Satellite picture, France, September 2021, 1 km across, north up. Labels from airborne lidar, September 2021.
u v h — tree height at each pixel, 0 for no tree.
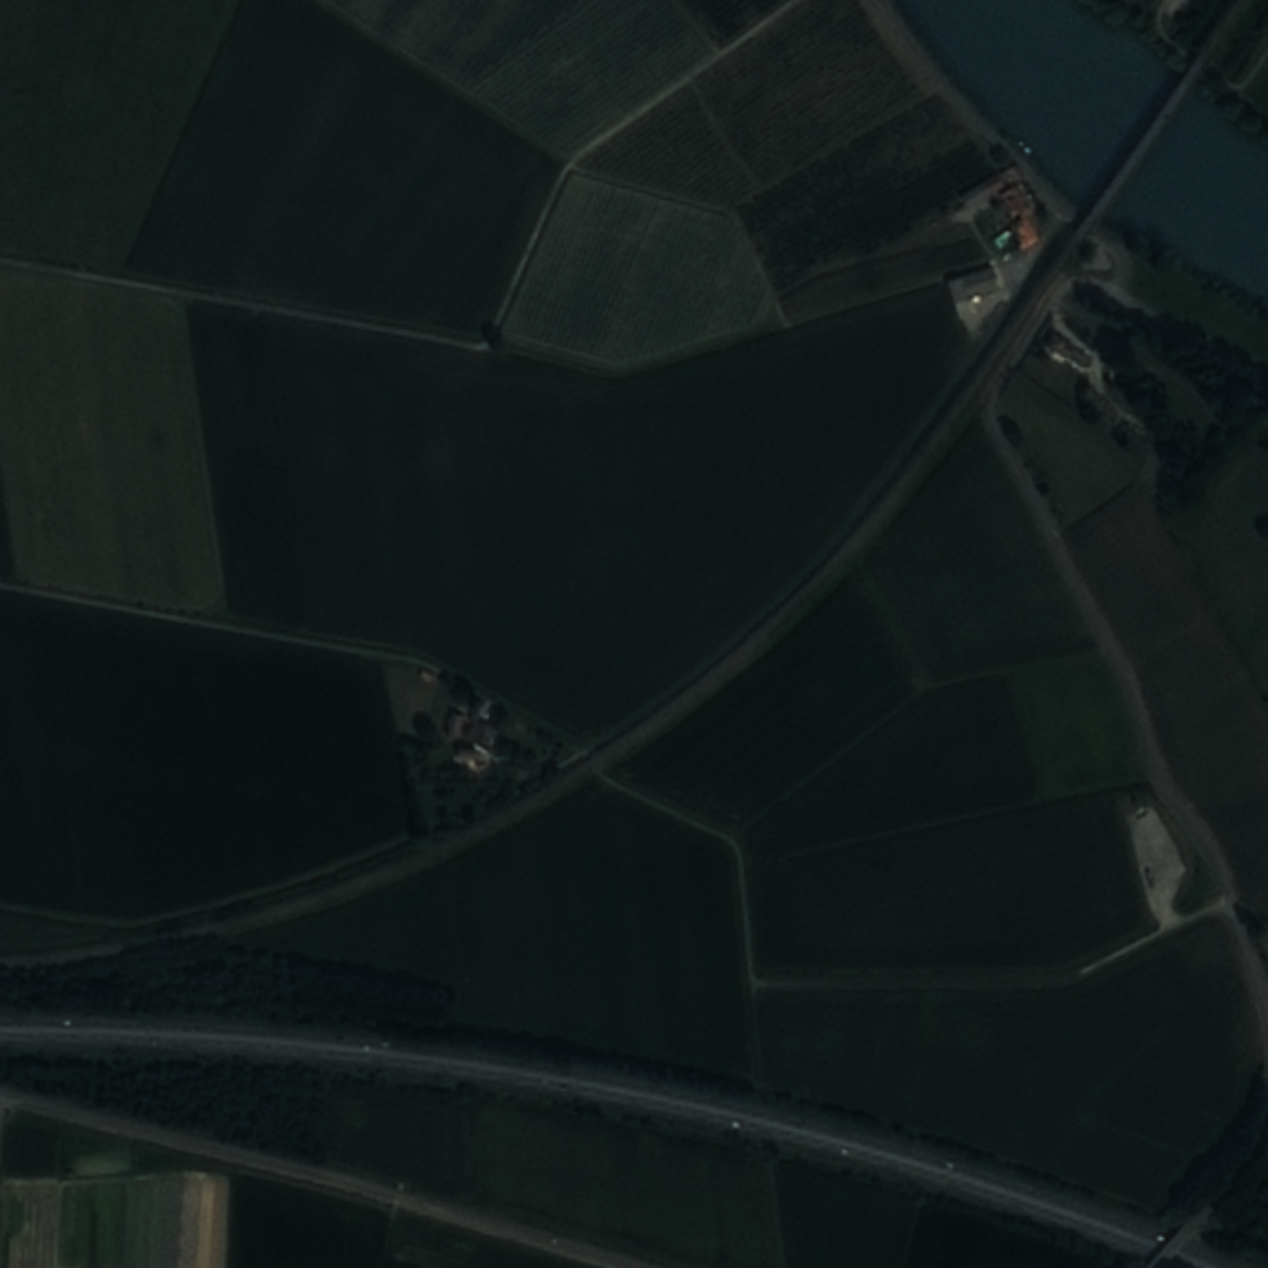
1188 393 0
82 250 0
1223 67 0
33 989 13
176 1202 0
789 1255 0
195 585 0
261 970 7
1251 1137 16
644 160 0
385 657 0
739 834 0
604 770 0
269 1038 0
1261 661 0
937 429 0
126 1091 10
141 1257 0
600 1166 0
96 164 0
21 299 0
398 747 6
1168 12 0
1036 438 0
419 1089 7
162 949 13
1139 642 0
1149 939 0
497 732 10
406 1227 0
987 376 0
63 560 0
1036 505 0
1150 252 16
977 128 0
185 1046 0
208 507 0
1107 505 0
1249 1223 8
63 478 0
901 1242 0
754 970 0
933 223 0
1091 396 9
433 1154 0
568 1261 0
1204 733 0
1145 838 0
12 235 0
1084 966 0
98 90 0
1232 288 7
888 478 0
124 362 0
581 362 0
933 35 0
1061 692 0
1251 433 15
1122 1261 10
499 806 11
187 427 0
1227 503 0
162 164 0
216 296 0
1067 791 0
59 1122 0
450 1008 13
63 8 0
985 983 0
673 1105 0
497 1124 0
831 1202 0
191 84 0
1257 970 0
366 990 18
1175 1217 6
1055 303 0
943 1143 7
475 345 0
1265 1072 7
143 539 0
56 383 0
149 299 0
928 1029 0
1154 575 0
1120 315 14
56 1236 0
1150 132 0
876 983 0
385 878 0
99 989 12
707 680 0
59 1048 0
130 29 0
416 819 15
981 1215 7
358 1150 0
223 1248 0
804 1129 0
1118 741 0
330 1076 7
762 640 0
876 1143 0
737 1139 6
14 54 0
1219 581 0
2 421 0
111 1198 0
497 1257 0
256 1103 11
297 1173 0
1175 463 23
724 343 0
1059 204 0
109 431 0
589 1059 14
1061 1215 0
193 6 0
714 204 0
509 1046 17
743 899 0
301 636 0
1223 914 0
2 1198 0
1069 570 0
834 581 0
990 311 0
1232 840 0
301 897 0
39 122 0
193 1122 16
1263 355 0
